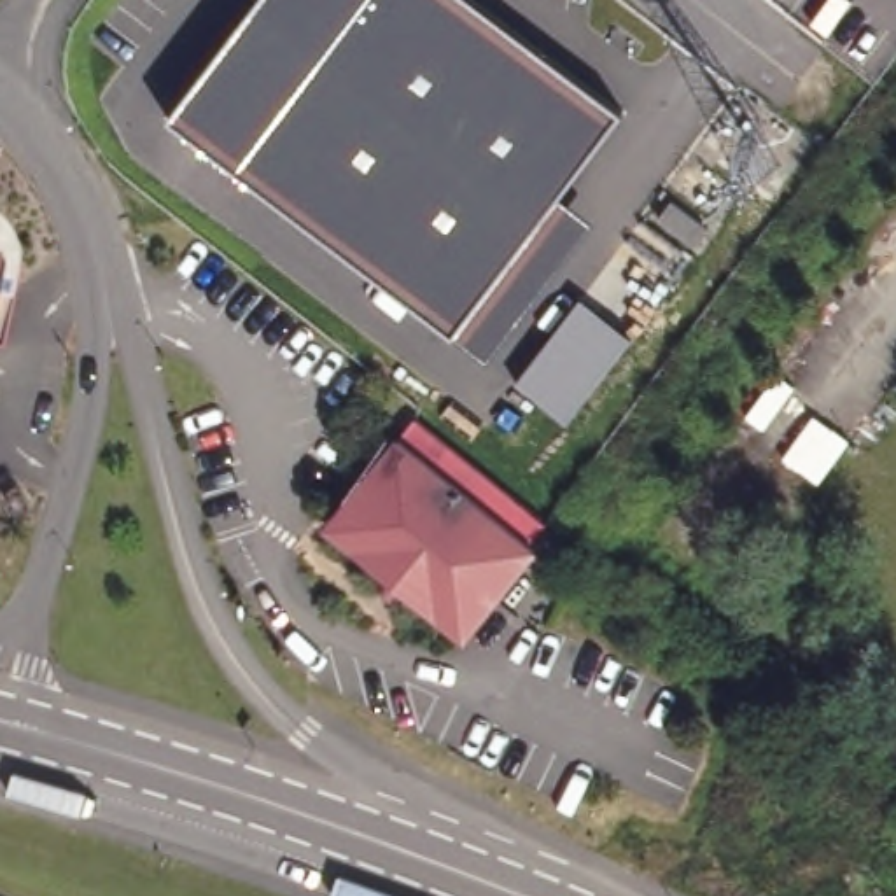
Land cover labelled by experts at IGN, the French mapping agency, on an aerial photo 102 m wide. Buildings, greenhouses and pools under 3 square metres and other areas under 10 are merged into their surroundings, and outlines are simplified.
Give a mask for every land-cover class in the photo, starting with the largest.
<instances>
[{"label":"impervious surface","instance_id":"1","mask_svg":"<svg viewBox=\"0 0 896 896\"><path fill-rule=\"evenodd\" d=\"M88 7V0H0V536H32L28 571L11 602L0 609V805L14 802L49 816L77 819L95 837L172 854L196 868L280 896H683L658 886L634 865L609 861L592 851H581L578 858L557 854L543 847V840L536 837L501 826L490 812L469 809L441 795L431 781L396 774L392 767L364 756L336 732L322 728V721L308 718L301 700H294L280 683L270 679V672L252 655L249 641L242 637L245 620H259L263 641L273 655L287 648L308 672H319L336 693L368 704L385 718H403L406 728L424 732V739L445 742L448 753H466L483 767H497L504 777H515L532 791H543L560 805L564 816H574L585 798L595 770H606L616 781V788L655 802L658 809H683L711 767V746L676 753L672 739L686 728L714 725L711 679L676 686L662 683L655 672L648 676L623 669L620 662H613V641L602 634L588 641L574 623H560L550 634L546 616L553 606L532 588L529 571L508 585L501 606L487 616V623L476 630L469 644H452L445 658H438L427 648L396 644L389 606L399 602L392 588H382V581L371 578L350 553L329 543V522L305 515L291 487L294 466L301 459H336L315 413V399L322 385H333L336 392H357L354 385L371 378L378 368L375 357H354L350 364H343V354L333 347H319L315 333H298L294 319L273 298L259 294L249 280H242L217 252L207 256V242L186 221L175 217L133 228L126 221L112 179L102 172L98 154L84 144L77 130V112L70 105L63 81L67 35L77 14ZM172 350H182L217 389L210 413L186 417V434L193 441L189 452L175 448L168 427V389L161 378V357ZM112 368H123L126 375L137 431L144 441L147 469L154 480L158 508L165 518L172 560L189 613L203 641L210 644L214 658L221 662L224 676L245 697V704L277 728L273 739H259L245 725H221L147 697L88 683L67 672L60 662H49V623L56 588L88 490V476L102 448ZM319 581L336 585L347 602L371 616V630H354L347 623L322 620L308 599ZM494 25H501L508 35H515L522 46H529L536 56H543L550 67H557L564 77H571L578 88H585L609 112H616L599 144L553 193V203H564L560 221L581 228V242L560 263V270H553L543 280L539 294L532 298V312L511 322L504 340L483 361L469 350V343L445 347V354H438L406 315L389 319L385 312H378L364 284L340 273L333 263L319 259L308 245L287 235L280 224H273L256 203L235 193L231 182L210 175L193 154L179 151L175 144H165V116L200 77L210 56L221 49V42L231 35V28L242 21V14L252 7V0H119L116 11L95 28V46L116 60V74L102 91V109L109 116L112 137L161 186H168L189 207H196L200 214L228 228L235 238L252 245L273 270L291 277L298 287H305L312 298H319L326 308H333L340 319L361 329L371 347H385L396 357V378L399 385L427 399H462L476 410L483 424H497L501 431L515 427V406L522 375L539 357V350L567 326V315L574 308L592 312L613 333H665L669 326H679V319L697 305L700 291L679 277L683 266L693 263L714 242L718 231L739 242V235L760 224V217L781 196L798 165L802 133L812 119H819L830 109V88H854L858 81L879 84L882 74L896 63V0H613L616 7H623L627 14H634L662 35V56L655 63H641V42L634 35H627L623 28H592L588 0H466ZM833 291L837 301H826L823 326L795 340L781 354V385L767 389L756 399L732 445L742 448L746 459L760 469L788 466L809 483H823L844 452L858 455L865 441H875L896 420V221L886 235L872 238L868 270H858Z\"/></svg>","mask_w":896,"mask_h":896},{"label":"herbaceous vegetation","instance_id":"2","mask_svg":"<svg viewBox=\"0 0 896 896\"><path fill-rule=\"evenodd\" d=\"M119 0H88V7L77 14L67 35L63 81L70 105L77 112V130L84 144L98 154L102 172L112 179L126 221L133 228L175 217L186 221L207 242V256L217 252L242 280H249L259 294L273 298L294 319L298 333H315L319 347H333L343 354V364H350L354 357H375L378 368L396 378V357L385 347H371L361 329L340 319L333 308H326L319 298H312L305 287H298L291 277L273 270L252 245L235 238L228 228L200 214L196 207H189L168 186H161L112 137L109 116L102 109V91L116 74V60L95 46V28L116 11ZM592 28H623L627 35H634L641 42V63H655L662 56V35L634 14H627L623 7H616L613 0H588ZM896 130V63L882 74L879 84L858 81L854 88H830V109L819 119H812L802 133L798 165L781 196L760 217V224L739 235V242L718 231L714 242L693 263L683 266L679 277L700 291L697 305L679 319V326H669L665 333H630L627 350L571 424H557L539 410L525 413L522 406H515V427L501 431L497 424H483L476 410L462 399H427L399 385L392 389L385 410H413L410 424L434 434L445 448H452L462 462H469L480 476H487L497 490H504L518 508H525L539 522V532L532 539V560H553L585 536V529L564 525L557 511L599 455L613 452L620 459H651V445L662 434L651 420H637V410L648 389L662 385L676 350L707 319L718 294L739 277L749 249L777 224L784 207L798 196L816 161L830 147L865 151L868 158H875L882 151V133ZM826 301H837L833 291L812 287V301L802 305L795 340L823 326ZM161 378L168 389V427L175 448L189 452L193 441L186 434V417L210 413L217 389L182 350H172L161 357ZM109 508H130L140 518V550L123 553L109 546L102 532ZM49 662H60L67 672L88 683L147 697L221 725H245L259 739H273L277 728L245 704V697L224 676L221 662L214 658L210 644L203 641L189 613L172 560L165 518L158 508L154 480L147 469L144 441L137 431L126 375L123 368H112L102 448L88 476V490L56 588L49 623ZM735 504H760L774 511L777 529L791 536L823 539L833 532L837 539H858L882 581L886 616H879L875 627L896 655V420L875 441H865L858 455L844 452L823 483H809L788 466L760 469L746 459L742 448L732 445L704 455L700 490L686 508H679L669 532L662 536V546L669 557L683 564L693 553L700 557L711 550V529L718 515ZM32 536H0V609L11 602L28 571ZM550 634L560 623H574L588 641L602 634L606 620L595 609H588L578 595L553 606L546 616ZM242 637L249 641L252 655L270 672V679L280 683L294 700H301L308 718L322 721V728L336 732L364 756L392 767L396 774L431 781L441 795L469 809L490 812L501 826L536 837L543 840V847L557 854L578 858L581 851H592L609 861L634 865L658 886L683 896H896V767L886 756H868L865 749H858L837 770V777L816 805L802 791H788L784 784H777V777H770L760 788L735 767H721L725 742H718L714 725L686 728L672 739L676 753L711 746V767L683 809H658L655 802L616 788V798L609 802L588 805L585 798L574 816H564L560 805L543 791H532L515 777H504L497 767H483L466 753H448L445 742L424 739V732L406 728L403 718H385L368 704L336 693L319 672H308L287 648L273 655L263 641L259 620H245ZM0 896H280L196 868L172 854L95 837L77 819L49 816L14 802L0 805Z\"/></svg>","mask_w":896,"mask_h":896},{"label":"building","instance_id":"3","mask_svg":"<svg viewBox=\"0 0 896 896\"><path fill-rule=\"evenodd\" d=\"M616 112H609L585 88H578L571 77H564L557 67H550L543 56H536L529 46H522L515 35H508L501 25H494L466 0H252V7L242 14V21L231 28V35L221 42V49L210 56L200 77L165 116V144H175L179 151L193 154L210 175L231 182L235 193L256 203L273 224H280L287 235L308 245L319 259L333 263L340 273L364 284L378 312H385L389 319L406 315L438 354H445V347L469 343V350L483 361L504 340L511 322L532 312V298L539 294L543 280L553 270H560V263L581 242V228L560 221L564 203H553V193L599 144ZM630 333H613L592 312L574 308L567 315V326L539 350V357L522 375L515 406H522L525 413L539 410L557 424H571L627 350ZM539 532V522L525 508H518L504 490H497L487 476H480L469 462H462L452 448H445L434 434L410 424L396 445L375 455V462L350 487V494L329 522V543L350 553L371 578L382 581V588H392L399 602L413 609L427 627L445 634L452 644H469L476 630L487 623V616L501 606L508 585L529 571L532 560V539Z\"/></svg>","mask_w":896,"mask_h":896},{"label":"deciduous trees","instance_id":"4","mask_svg":"<svg viewBox=\"0 0 896 896\"><path fill-rule=\"evenodd\" d=\"M679 508L669 501V480L651 459H620L613 452L599 455L557 511L564 525L585 529V536L553 560H532L529 571L532 588L553 606L578 595L588 609H595L606 620L602 634L613 641V662H620L623 669L648 676L655 672L662 683L676 686L711 679L714 725L718 742H725L721 767H735L760 788L770 777H777V784H784L788 791H802L816 805L837 777V770L858 749H865L868 756H886L896 767V655L875 627L879 616H886L882 581L858 539H837L833 532L823 539L791 536L777 529L774 511L760 504H735L718 515L711 529V550L700 557L693 553L683 564L669 557L662 546V536L669 532Z\"/></svg>","mask_w":896,"mask_h":896},{"label":"brushwood","instance_id":"5","mask_svg":"<svg viewBox=\"0 0 896 896\"><path fill-rule=\"evenodd\" d=\"M896 221V130L882 133V151L875 158H868L865 151L830 147L816 161L798 196L784 207L777 224L749 249L739 277L718 294L707 319L676 350L662 385L648 389L637 410V420H651L662 434L651 445V459L669 480V501L679 508H686L700 490L704 455L732 445L756 399L767 389L781 385V354L795 340L802 305L812 301V287L833 291L858 270H868L872 238L886 235ZM399 385L396 378L378 368L371 378L354 385L357 392H336L333 385H322L315 399V413L336 459H301L294 466L291 487L305 515L329 522L350 494V487L375 462V455L396 445L410 424L413 410H385L392 389ZM102 532L109 546L123 553L140 550V518L130 508H109ZM308 599L322 620L347 623L354 630H371V616L347 602L336 585L319 581ZM396 644L427 648L438 658H445L452 644L445 634L427 627L413 609L399 602L389 606ZM616 798V781L606 770H595L585 798L588 805L609 802Z\"/></svg>","mask_w":896,"mask_h":896}]
</instances>
